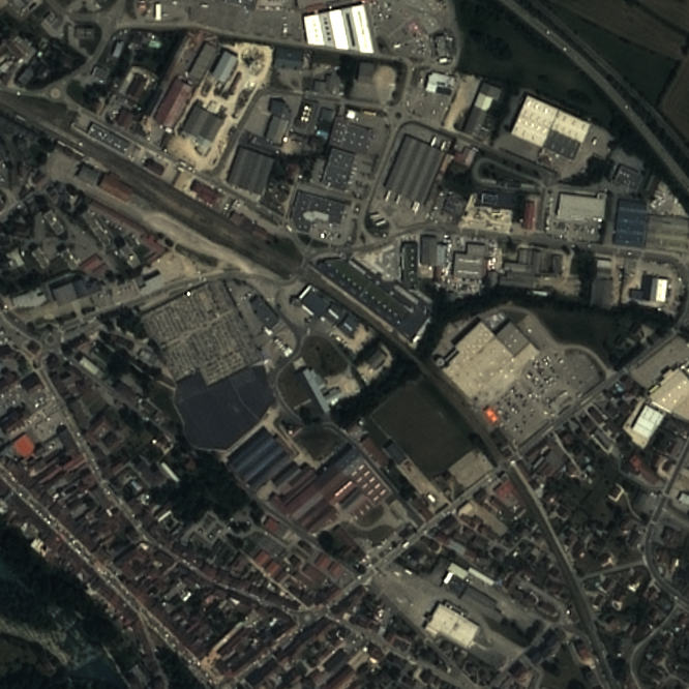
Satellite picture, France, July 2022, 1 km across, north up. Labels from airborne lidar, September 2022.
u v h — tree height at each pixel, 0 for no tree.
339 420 8
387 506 0
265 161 0
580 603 0
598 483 0
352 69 17
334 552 13
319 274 0
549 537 0
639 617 12
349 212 0
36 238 0
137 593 0
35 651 17
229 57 0
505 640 0
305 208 0
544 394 0
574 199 0
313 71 0
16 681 23
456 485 0
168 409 0
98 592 0
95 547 0
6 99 0
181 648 0
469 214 0
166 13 0
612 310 6
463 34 0
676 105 0
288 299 0
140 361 10
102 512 0
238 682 0
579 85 0
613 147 6
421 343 14
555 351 0
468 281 0
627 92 12
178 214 0
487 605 0
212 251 0
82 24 0
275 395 0
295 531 0
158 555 0
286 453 0
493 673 6
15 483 0
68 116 0
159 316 0
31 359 0
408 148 0
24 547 19
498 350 0
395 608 0
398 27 0
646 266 0
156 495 17
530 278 0
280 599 0
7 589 20
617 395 6
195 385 0
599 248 0
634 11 0
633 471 0
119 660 6
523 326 0
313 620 0
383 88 0
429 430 0
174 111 0
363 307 0
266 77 0
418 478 0
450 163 6
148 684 0
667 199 0
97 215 0
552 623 0
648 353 0
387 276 0
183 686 25
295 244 0
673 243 0
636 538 0
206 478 10
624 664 13
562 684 0
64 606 18
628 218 0
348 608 0
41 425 0
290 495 0
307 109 0
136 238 0
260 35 0
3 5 0
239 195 0
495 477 0
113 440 0
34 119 0
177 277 0
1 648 0
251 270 0
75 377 0
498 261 0
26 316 0
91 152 0
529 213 0
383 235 0
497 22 7
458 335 0
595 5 0
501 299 14
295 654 0
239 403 0
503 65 0
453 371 0
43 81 5
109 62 0
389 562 0
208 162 0
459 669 0
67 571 16
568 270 0
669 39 0
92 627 28
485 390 0
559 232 0
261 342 0
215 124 0
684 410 0
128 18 0
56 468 0
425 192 0
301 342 0
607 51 0
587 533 0
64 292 0
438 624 0
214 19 0
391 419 0
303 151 0
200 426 0
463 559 0
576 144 0
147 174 0
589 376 0
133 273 13
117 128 0
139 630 0
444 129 0
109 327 17
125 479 0
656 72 0
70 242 0
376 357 0
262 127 0
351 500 0
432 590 0
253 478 0
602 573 0
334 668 0
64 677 18
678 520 0
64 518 0
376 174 0
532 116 0
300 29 0
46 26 0
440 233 0
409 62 0
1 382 0
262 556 0
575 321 0
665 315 15
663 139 12
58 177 0
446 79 0
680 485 0
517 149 0
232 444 0
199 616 0
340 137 0
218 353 0
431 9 0
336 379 0
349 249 0
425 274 0
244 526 16
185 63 0
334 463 0
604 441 0
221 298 0
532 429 0
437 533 0
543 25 0
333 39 0
